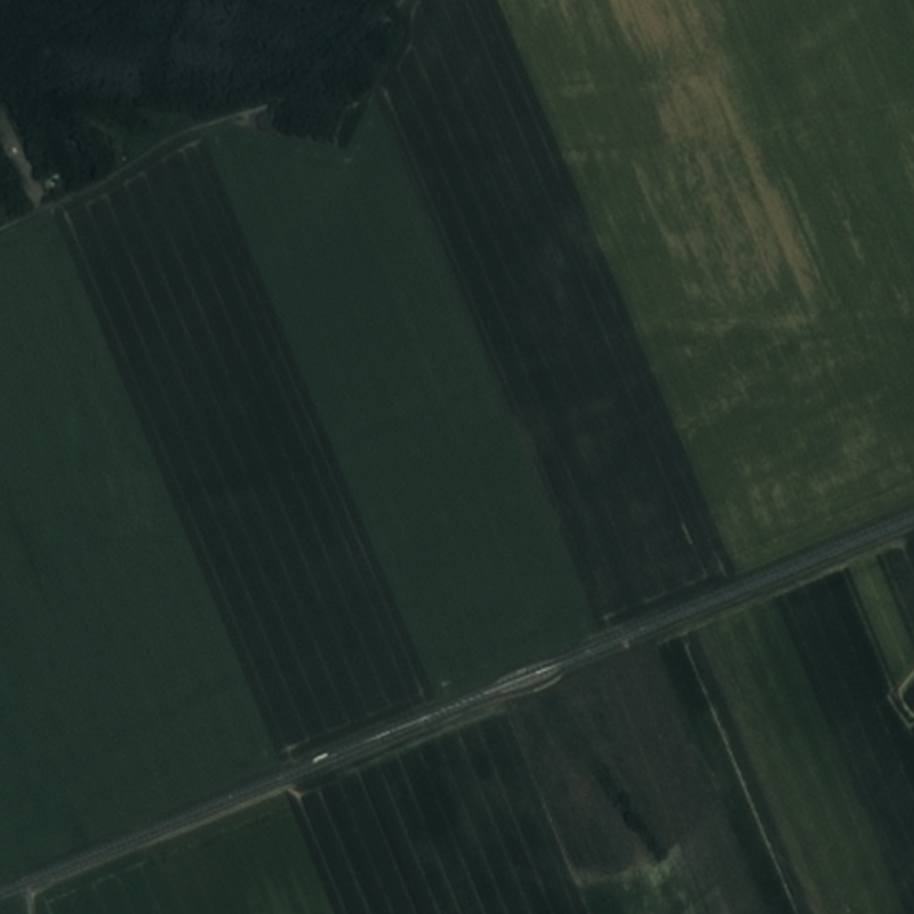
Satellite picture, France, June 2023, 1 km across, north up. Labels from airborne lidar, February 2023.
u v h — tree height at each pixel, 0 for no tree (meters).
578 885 0
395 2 19
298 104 17
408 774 0
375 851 0
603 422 0
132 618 0
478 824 0
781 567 0
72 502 0
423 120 0
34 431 0
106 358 0
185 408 0
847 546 0
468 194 0
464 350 0
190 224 0
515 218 0
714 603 0
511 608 0
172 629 0
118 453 0
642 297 0
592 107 0
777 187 0
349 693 0
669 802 0
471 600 0
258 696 0
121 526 0
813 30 0
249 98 19
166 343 0
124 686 0
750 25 0
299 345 0
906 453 0
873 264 0
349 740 0
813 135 0
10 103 22
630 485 0
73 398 0
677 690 0
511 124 0
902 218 0
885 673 0
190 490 0
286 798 0
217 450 0
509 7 0
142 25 20
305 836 0
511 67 0
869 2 0
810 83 0
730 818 0
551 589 0
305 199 0
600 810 0
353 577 0
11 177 13
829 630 0
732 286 0
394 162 0
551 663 0
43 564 0
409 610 0
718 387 0
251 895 0
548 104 0
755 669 0
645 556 0
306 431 0
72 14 16
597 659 0
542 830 0
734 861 0
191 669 0
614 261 0
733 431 0
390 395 0
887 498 0
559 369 0
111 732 0
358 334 0
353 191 0
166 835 0
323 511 0
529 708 0
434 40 0
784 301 0
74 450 0
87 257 0
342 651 0
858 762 0
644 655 0
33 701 0
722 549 0
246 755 0
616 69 0
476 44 0
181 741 0
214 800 0
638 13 0
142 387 0
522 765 0
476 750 0
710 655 0
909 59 0
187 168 0
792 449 0
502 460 0
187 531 0
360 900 0
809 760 0
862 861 0
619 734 0
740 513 0
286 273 0
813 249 0
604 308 0
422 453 0
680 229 0
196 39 14
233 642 0
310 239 0
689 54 0
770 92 0
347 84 20
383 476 0
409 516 0
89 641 0
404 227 0
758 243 0
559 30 0
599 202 0
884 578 0
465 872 0
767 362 0
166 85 17
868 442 0
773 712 0
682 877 0
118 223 0
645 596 0
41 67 24
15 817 0
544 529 0
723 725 0
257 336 0
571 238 0
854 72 0
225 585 0
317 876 0
